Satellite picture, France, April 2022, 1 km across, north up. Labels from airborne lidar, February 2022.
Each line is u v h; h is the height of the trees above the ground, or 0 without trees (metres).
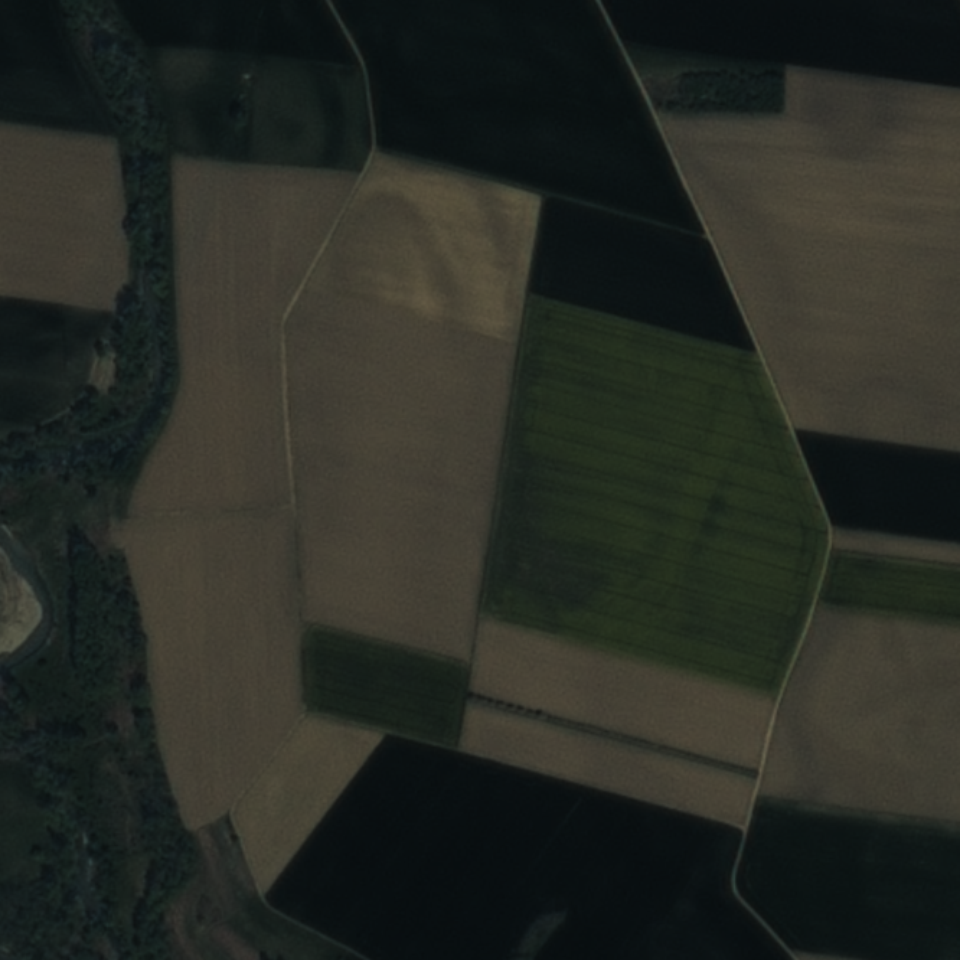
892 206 0
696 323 0
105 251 0
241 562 0
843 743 0
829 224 0
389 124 0
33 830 0
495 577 0
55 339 0
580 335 0
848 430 0
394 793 0
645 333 0
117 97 19
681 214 0
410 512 0
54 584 0
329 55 0
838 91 0
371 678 0
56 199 0
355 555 0
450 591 0
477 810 0
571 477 0
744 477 0
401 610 0
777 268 0
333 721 0
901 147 0
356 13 0
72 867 22
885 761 0
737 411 0
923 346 0
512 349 0
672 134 0
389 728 0
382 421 0
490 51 0
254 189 0
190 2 0
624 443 0
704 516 0
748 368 0
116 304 0
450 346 0
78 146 0
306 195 0
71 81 0
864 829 0
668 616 0
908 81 0
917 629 0
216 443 0
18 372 0
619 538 0
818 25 0
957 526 0
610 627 0
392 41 0
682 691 0
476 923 0
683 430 0
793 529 0
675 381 0
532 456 0
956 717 0
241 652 0
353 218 0
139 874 0
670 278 0
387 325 0
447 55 0
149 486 0
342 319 0
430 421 0
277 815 0
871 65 0
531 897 0
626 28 0
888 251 0
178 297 0
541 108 0
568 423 0
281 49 0
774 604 0
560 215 0
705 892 0
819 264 0
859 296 0
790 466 0
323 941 0
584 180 0
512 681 0
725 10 0
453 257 0
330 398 0
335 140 0
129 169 13
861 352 0
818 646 0
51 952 17
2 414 0
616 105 0
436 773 0
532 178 0
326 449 0
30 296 0
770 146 0
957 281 0
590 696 0
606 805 0
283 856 0
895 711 0
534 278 0
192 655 0
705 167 0
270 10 0
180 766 0
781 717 0
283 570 0
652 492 0
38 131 0
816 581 0
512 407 0
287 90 0
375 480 0
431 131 0
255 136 0
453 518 0
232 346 0
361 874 0
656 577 0
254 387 0
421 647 0
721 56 0
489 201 0
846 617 0
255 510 0
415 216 0
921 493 0
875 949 0
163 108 0
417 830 0
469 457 0
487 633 0
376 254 0
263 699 0
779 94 6
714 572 0
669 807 0
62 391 0
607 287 0
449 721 0
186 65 0
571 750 0
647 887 0
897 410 0
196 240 0
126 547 0
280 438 0
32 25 0
